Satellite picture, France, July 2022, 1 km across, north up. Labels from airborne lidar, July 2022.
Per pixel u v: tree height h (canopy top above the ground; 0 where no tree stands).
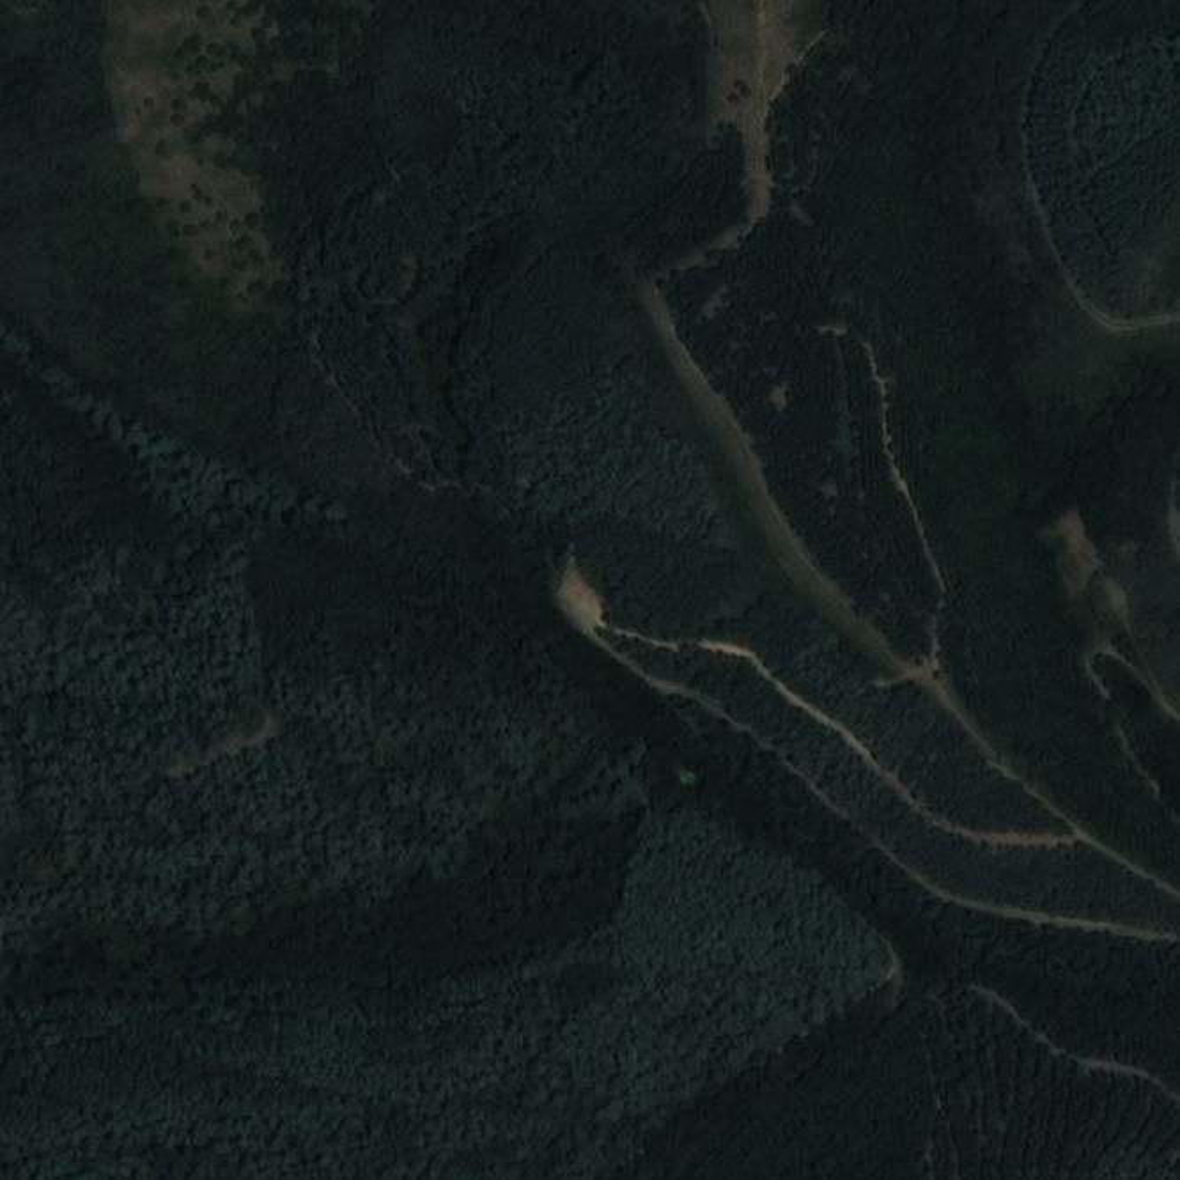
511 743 25
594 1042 25
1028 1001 17
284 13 10
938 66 19
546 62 18
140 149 0
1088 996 23
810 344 13
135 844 20
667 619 19
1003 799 17
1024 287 11
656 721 39
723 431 0
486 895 13
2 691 36
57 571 27
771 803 33
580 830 23
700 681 29
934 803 18
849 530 12
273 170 13
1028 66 7
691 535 16
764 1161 11
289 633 7
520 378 21
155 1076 32
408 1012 31
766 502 0
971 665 10
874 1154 12
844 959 27
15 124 9
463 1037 25
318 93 14
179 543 23
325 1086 23
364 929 8
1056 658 15
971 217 9
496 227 34
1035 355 6
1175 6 15
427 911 26
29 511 25
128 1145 27
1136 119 17
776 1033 27
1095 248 14
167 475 31
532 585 23
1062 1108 15
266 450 18
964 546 14
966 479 12
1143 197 16
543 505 23
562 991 18
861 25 18
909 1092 12
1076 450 10
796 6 0
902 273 15
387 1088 24
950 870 18
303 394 17
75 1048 28
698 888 28
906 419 16
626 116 28
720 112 0
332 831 25
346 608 7
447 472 38
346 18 10
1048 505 16
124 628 25
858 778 14
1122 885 15
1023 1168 10
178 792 20
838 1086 14
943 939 35
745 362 8
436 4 14
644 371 7
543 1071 25
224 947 21
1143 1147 15
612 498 16
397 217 34
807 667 18
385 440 28
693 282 12
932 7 15
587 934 7
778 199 13
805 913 28
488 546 17
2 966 20
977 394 22
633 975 18
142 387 8
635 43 15
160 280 6
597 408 17
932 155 19
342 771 14
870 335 17
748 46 0
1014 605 12
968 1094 14
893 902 36
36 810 19
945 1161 13
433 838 7
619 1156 23
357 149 18
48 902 23
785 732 17
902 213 15
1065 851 17
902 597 12
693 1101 16
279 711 18
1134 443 16
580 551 14
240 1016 27
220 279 5
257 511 29
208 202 7
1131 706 21
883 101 14
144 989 5
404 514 7
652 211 6
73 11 7
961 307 25
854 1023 17
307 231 16
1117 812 13
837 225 14
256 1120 22
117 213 6
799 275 14
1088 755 13
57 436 25
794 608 6
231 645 26
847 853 32
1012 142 9
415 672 11
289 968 19
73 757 25
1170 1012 16
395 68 21
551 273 22
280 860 26
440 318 14
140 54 0
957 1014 16
